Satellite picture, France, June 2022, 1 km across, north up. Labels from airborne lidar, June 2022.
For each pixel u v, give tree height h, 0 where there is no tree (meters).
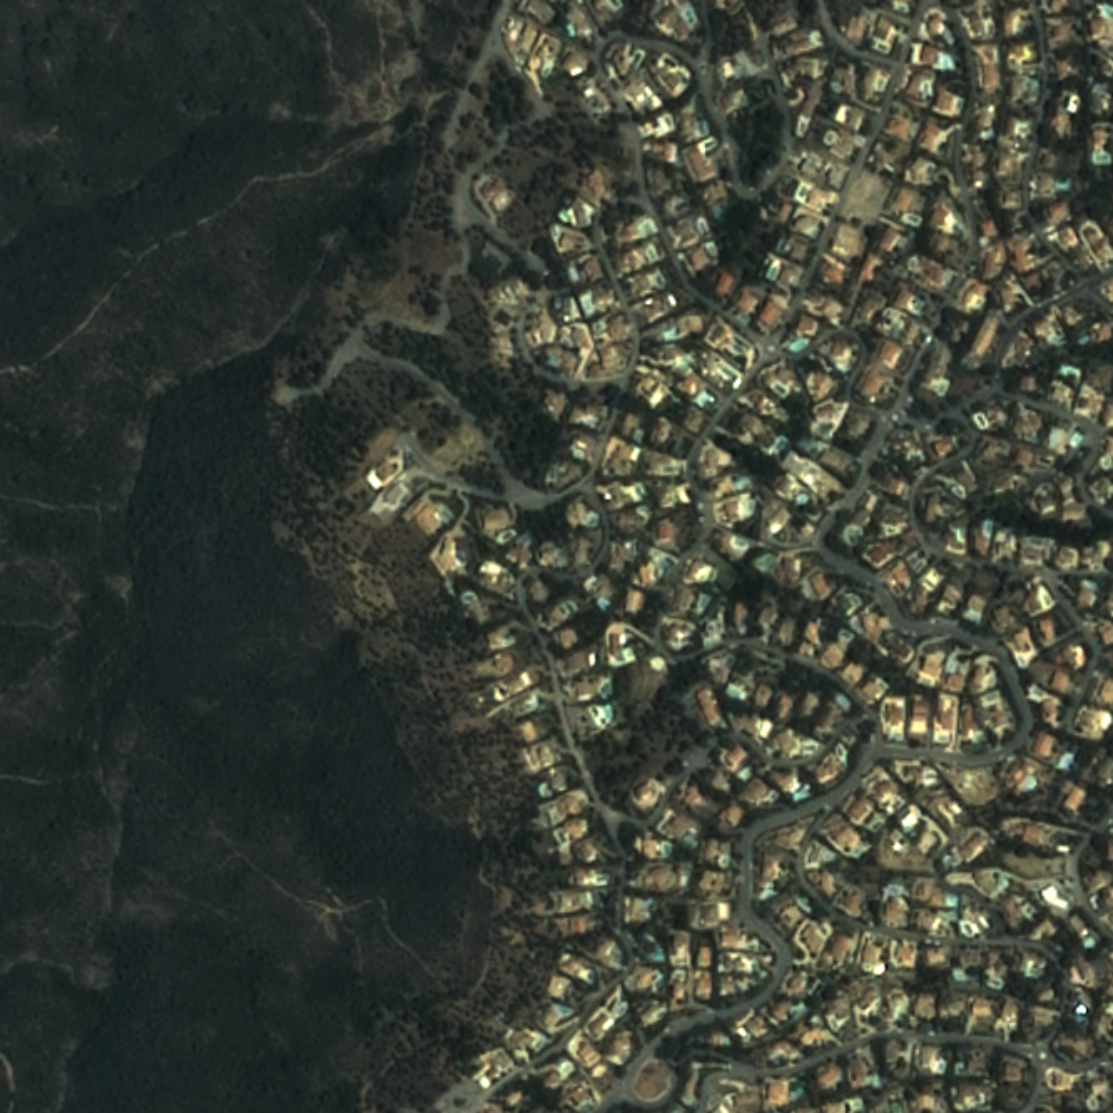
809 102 0
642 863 10
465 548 0
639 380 5
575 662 0
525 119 6
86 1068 9
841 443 8
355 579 6
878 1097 7
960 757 0
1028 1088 7
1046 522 6
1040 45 6
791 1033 5
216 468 8
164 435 5
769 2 6
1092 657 6
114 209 7
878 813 6
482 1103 0
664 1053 7
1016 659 6
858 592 6
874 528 5
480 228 6
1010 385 6
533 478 7
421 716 6
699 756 0
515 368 6
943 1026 11
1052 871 0
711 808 0
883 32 0
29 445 7
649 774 0
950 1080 6
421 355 6
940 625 0
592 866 7
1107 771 0
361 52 0
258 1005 8
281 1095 7
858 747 8
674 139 7
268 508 6
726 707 7
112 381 6
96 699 7
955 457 9
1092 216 11
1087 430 6
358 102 0
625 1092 0
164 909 0
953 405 8
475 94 10
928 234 6
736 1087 0
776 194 6
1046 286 8
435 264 0
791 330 7
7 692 6
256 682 6
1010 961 8
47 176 11
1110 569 10
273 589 6
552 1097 8
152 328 6
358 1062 0
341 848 7
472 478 6
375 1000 10
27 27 9
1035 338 7
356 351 0
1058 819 8
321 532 8
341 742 9
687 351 7
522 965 6
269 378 6
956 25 11
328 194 5
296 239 8
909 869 7
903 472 7
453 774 6
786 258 6
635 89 0
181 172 6
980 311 9
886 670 7
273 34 11
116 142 9
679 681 7
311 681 6
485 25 7
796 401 10
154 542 10
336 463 8
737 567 6
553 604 8
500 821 7
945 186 7
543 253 6
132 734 0
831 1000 16
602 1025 0
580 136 7
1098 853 13
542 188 8
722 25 8
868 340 6
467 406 7
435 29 0
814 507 7
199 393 6
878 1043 7
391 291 0
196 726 6
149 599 7
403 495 0
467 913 6
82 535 6
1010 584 6
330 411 8
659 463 0
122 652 8
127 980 8
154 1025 7
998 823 6
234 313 0
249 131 6
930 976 10
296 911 0
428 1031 8
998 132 6
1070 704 13
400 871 6
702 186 9
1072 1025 11
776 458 6
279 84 6
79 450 7
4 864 7
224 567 5
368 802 6
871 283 6
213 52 10
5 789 7
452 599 6
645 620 10
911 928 7
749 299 0
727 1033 9
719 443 12
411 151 8
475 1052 7
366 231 8
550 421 7
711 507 0
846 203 0
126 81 7
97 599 8
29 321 6
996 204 10
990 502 9
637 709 6
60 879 8
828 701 7
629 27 8
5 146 9
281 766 6
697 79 6
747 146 7
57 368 6
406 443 0
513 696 6
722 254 8
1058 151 9
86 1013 6
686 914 6
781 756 6
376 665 7
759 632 7
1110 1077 6
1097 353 7
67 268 6
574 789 7
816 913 7
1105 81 7
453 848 7
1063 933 7
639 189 6
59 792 10
